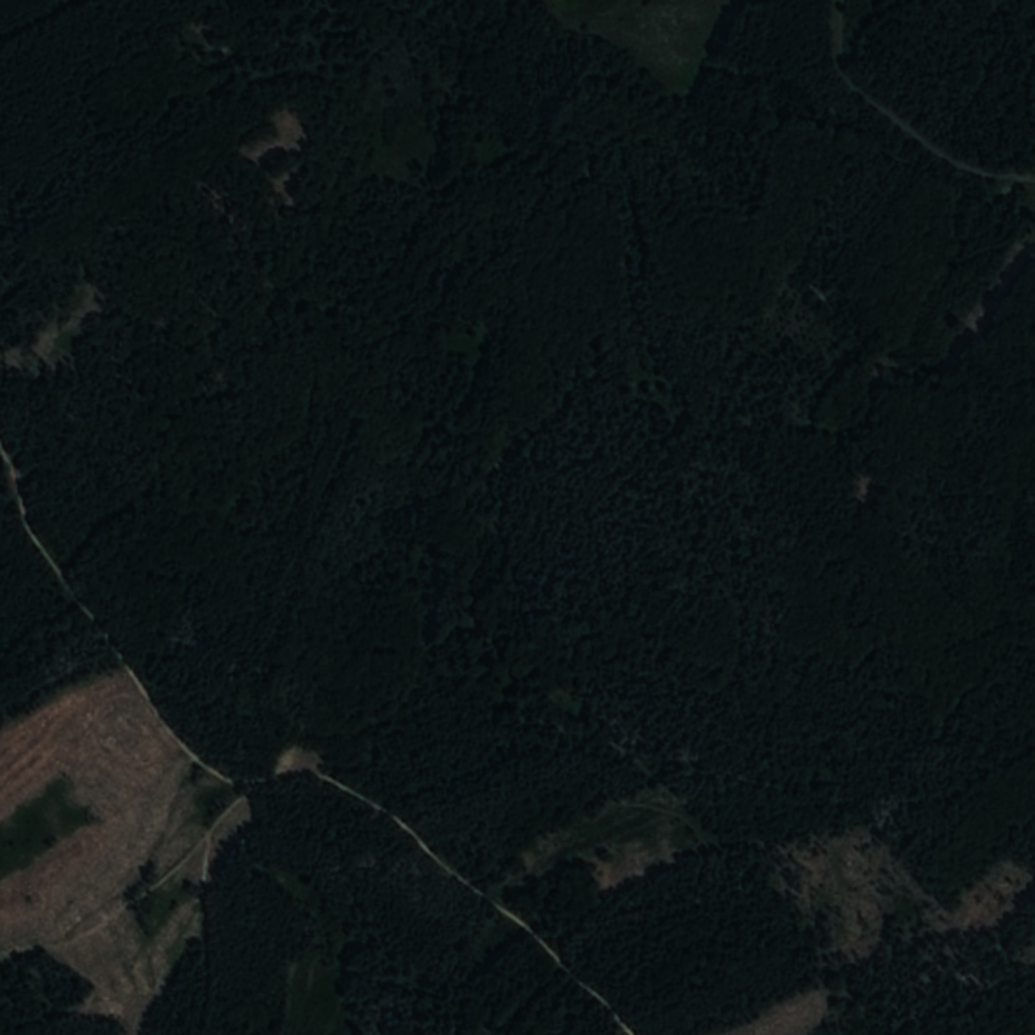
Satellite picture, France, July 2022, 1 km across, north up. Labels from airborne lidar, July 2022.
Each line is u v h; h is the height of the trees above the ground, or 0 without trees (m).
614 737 13
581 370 23
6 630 8
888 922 15
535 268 28
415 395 15
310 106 24
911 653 26
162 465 18
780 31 25
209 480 22
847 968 15
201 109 25
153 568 26
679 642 22
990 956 26
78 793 0
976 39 17
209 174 31
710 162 9
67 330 0
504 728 13
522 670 23
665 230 27
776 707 30
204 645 23
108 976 0
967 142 19
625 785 17
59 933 0
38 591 6
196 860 0
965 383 28
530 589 27
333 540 20
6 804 0
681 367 22
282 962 29
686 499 18
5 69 25
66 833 0
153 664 19
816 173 22
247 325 27
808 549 22
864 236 20
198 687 22
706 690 19
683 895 20
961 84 19
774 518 25
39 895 0
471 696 14
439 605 29
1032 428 28
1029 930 25
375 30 14
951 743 29
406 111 6
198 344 24
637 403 12
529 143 19
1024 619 24
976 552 25
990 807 23
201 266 24
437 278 16
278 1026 25
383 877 23
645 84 19
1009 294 23
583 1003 15
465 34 22
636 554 13
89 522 7
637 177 25
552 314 26
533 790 23
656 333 16
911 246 29
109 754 0
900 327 30
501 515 21
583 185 27
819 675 22
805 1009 0
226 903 20
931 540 20
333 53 15
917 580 24
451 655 11
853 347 11
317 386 23
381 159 0
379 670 24
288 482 20
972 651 28
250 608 19
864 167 25
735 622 23
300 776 16
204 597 28
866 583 28
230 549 23
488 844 20
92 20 28
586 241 28
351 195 11
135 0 23
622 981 21
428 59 7
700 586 16
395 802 19
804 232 26
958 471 17
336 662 25
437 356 16
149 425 24
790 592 22
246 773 17
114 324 23
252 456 22
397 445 18
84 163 19
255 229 23
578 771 23
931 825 23
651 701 23
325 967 17
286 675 21
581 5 0
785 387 12
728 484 27
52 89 27
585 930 24
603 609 17
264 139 16
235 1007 21
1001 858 24
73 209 24
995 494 26
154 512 24
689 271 24
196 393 23
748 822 15
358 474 20
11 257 9
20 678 29
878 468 26
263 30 20
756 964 20
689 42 0
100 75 25
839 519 30
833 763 22
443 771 17
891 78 24
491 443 24
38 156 21
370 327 20
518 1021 23
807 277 15
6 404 20
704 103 29
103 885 0
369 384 17
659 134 24
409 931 20
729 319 20
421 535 27
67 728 0
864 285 28
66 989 14
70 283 15
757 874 18
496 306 24
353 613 25
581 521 21
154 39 21
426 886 23
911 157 10
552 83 19
